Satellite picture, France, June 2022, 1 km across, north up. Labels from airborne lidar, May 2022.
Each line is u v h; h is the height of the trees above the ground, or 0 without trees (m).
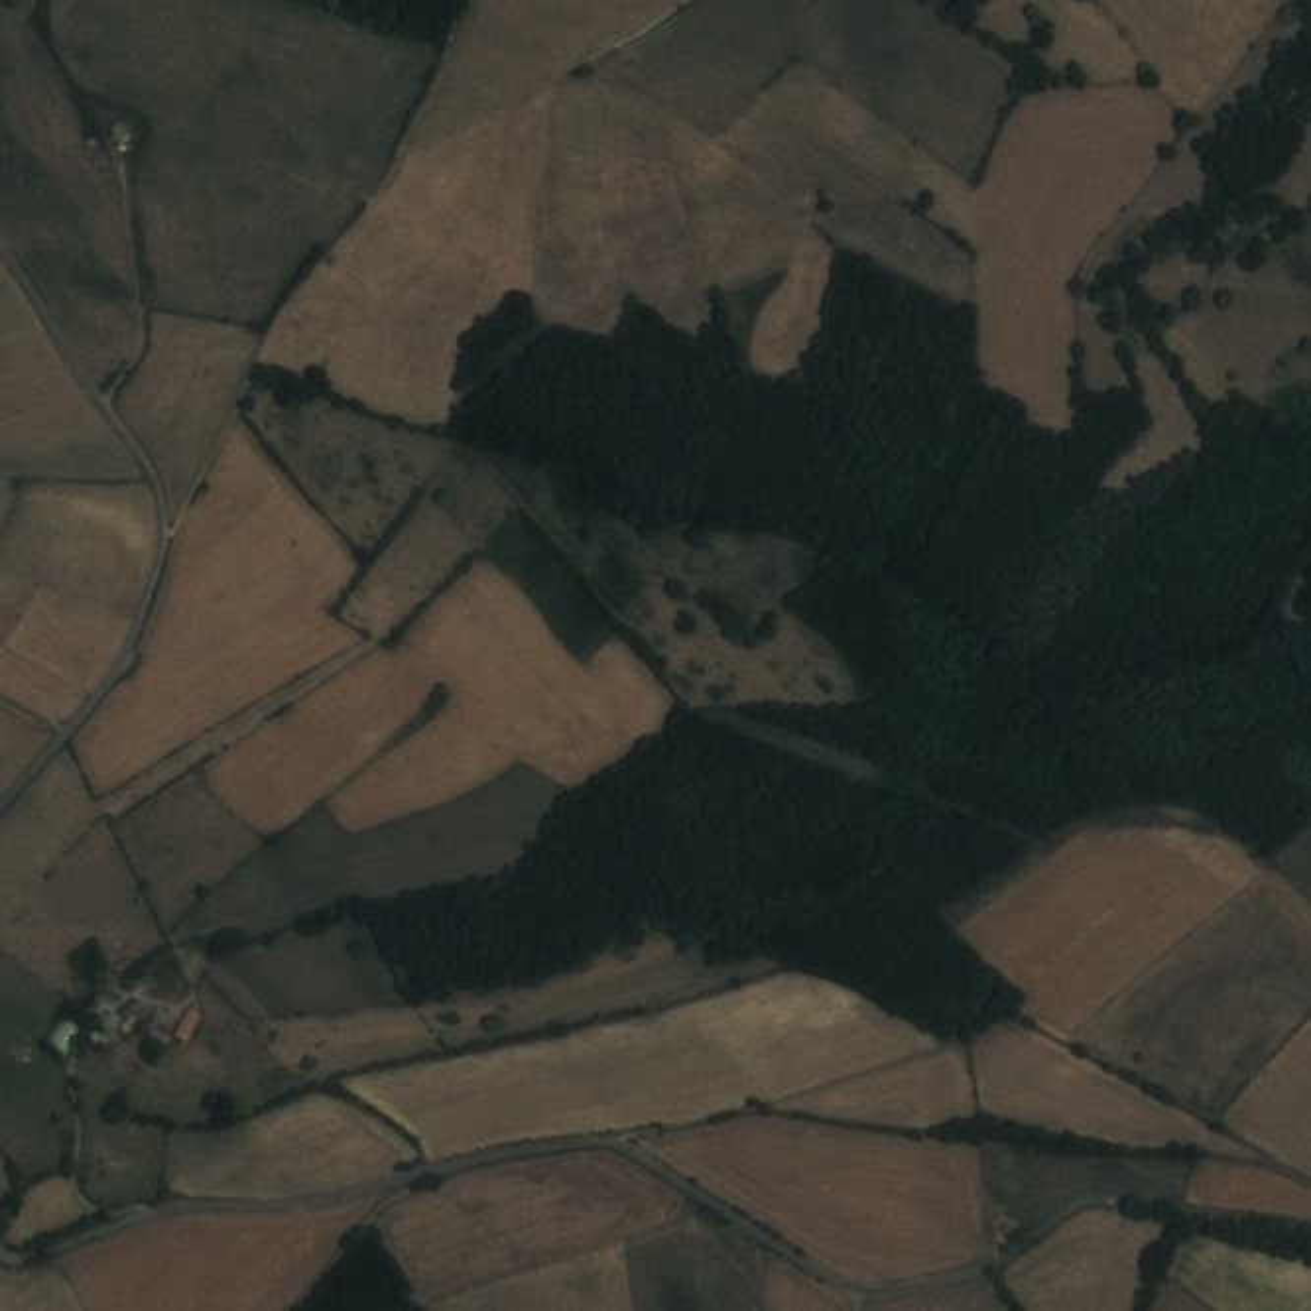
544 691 0
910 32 0
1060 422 0
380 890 0
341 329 0
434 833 0
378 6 14
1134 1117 0
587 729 0
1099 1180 0
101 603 0
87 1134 0
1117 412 13
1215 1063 0
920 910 10
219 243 0
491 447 14
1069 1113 0
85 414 0
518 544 0
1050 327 0
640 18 0
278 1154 0
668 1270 0
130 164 0
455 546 0
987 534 14
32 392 0
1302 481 12
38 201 0
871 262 12
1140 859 0
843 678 0
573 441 24
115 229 0
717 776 17
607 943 14
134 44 0
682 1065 0
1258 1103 0
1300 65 18
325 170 0
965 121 0
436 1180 8
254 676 0
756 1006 0
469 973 15
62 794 0
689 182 0
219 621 0
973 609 22
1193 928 0
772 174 0
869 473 17
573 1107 0
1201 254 16
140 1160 0
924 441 13
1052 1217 0
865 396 10
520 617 0
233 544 0
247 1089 0
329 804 0
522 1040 7
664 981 0
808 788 18
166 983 0
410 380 0
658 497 23
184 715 0
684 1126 0
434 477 0
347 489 0
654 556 0
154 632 0
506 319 8
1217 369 0
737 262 0
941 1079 0
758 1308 0
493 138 0
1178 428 0
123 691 0
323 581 0
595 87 0
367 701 0
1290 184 0
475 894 10
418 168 0
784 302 0
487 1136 0
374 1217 0
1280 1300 0
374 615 0
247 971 0
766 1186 0
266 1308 0
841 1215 0
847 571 9
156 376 0
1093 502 22
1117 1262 0
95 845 0
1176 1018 0
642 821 14
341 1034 0
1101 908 0
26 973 0
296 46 0
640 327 11
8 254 0
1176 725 14
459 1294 0
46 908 0
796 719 13
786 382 17
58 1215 0
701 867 17
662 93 0
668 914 16
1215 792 14
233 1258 0
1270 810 16
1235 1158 0
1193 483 10
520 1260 0
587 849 13
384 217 0
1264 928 0
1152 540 11
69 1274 0
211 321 0
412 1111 0
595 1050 0
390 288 0
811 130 0
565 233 0
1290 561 22
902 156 0
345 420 0
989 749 22
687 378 14
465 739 0
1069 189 0
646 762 15
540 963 14
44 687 0
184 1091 0
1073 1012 0
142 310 0
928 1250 0
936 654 15
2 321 0
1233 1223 12
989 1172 0
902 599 14
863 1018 0
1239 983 0
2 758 0
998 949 0
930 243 0
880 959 10
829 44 0
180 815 0
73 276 0
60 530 0
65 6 0
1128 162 0
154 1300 0
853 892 17
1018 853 8
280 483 0
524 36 0
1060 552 17
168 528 0
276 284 0
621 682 0
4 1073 0
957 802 16
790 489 17
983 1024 10
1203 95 0
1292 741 11
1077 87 12
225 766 0
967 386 7
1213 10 0
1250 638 18
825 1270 0
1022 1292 0
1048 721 22
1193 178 0
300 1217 0
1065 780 14
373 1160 0
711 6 0
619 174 0
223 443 0
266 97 0
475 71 0
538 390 19
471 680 0
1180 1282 0
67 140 0
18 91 0
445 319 0
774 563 0
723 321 14
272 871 0
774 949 11
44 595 0
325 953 0
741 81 0
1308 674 20
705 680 0
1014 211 0
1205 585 12
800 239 0
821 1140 0
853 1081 0
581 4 0
